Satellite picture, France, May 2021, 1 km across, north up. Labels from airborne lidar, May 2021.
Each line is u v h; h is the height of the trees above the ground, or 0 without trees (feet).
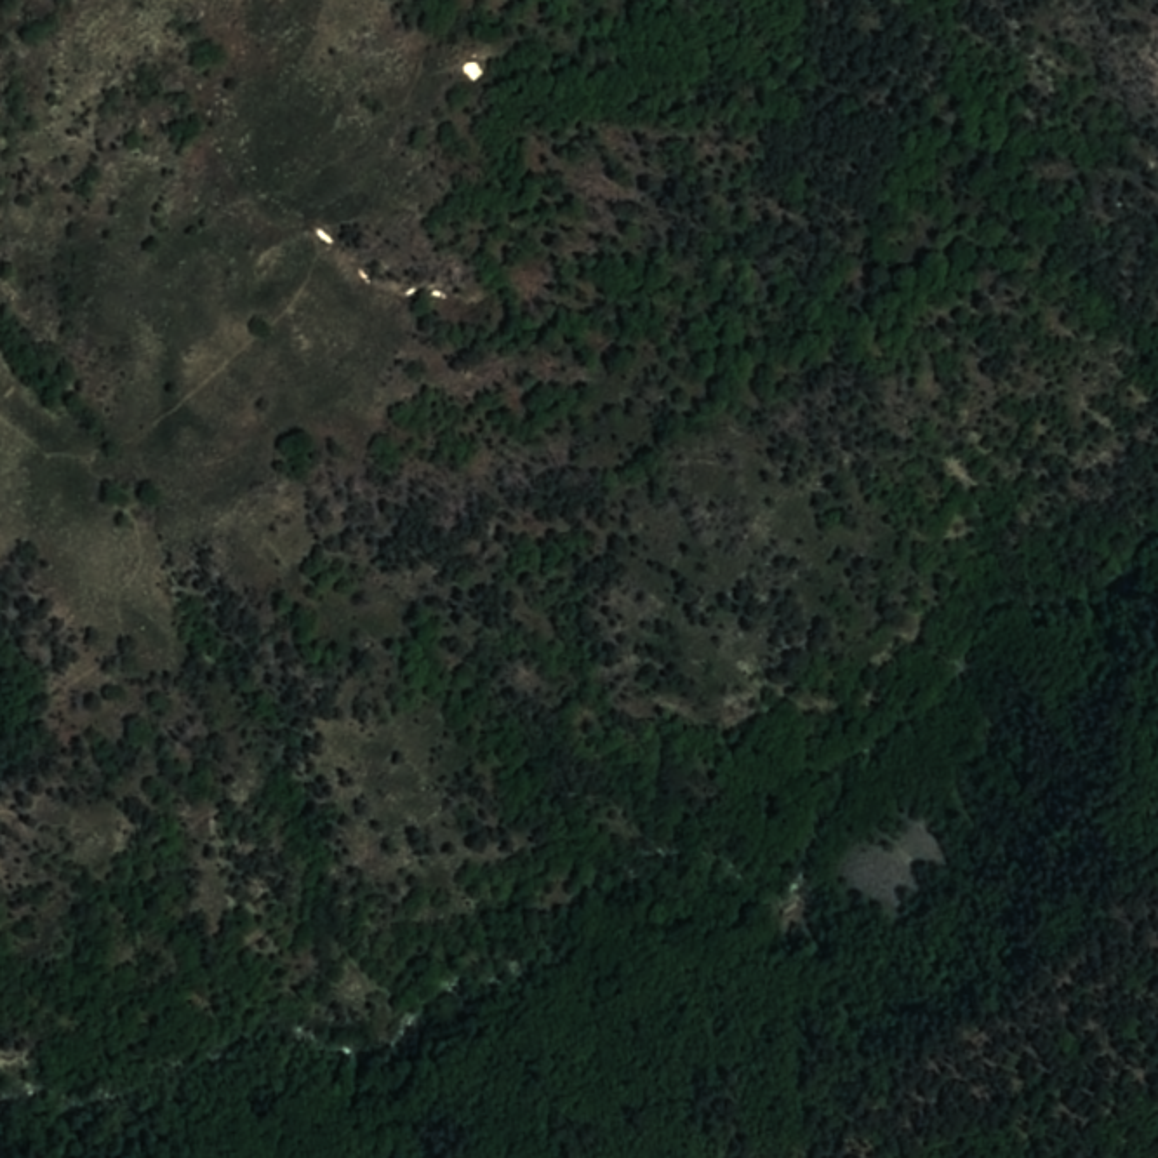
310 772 36
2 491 0
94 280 0
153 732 57
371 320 0
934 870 40
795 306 97
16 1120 82
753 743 97
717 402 88
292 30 0
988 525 70
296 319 0
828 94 95
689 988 51
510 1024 62
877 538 69
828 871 43
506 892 82
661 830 89
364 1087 83
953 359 74
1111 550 94
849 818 56
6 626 63
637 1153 37
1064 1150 36
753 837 66
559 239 108
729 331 100
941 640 94
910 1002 31
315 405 0
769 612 89
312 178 0
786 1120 61
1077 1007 71
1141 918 26
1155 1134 55
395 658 34
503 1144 64
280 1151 68
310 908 53
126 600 0
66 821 0
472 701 68
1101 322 80
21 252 0
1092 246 68
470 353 69
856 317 83
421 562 59
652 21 100
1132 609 69
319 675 41
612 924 60
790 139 93
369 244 30
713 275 95
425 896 61
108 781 46
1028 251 85
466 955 80
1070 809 86
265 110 0
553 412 94
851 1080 33
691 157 83
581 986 73
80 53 0
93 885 60
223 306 0
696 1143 52
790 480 71
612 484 68
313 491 33
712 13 64
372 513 76
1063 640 81
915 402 67
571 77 98
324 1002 42
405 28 36
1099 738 59
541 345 99
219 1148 68
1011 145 77
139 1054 97
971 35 55
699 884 56
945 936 59
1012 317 70
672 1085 66
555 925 53
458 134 63
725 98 28
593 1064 72
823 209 86
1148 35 65
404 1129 77
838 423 77
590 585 82
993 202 69
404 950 73
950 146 57
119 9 0
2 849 55
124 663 55
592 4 48
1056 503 61
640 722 56
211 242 0
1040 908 66
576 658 37
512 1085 45
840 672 67
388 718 50
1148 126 64
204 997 63
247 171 0
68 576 0
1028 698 29
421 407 37
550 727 71
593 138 84
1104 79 74
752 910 82
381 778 21
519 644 52
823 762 92
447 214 60
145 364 0
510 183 96
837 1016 57
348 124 0
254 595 34
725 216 80
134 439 0
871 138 95
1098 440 57
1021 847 63
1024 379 46
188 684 58
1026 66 40
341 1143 73
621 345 48
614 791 73
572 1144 36
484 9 57
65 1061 89
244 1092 63
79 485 0
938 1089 90
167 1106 76
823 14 97
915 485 54
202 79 27
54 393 39
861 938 53
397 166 0
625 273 104
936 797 41
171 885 72
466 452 49
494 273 79
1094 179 85
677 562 0
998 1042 68
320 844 34
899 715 62
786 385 66
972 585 63
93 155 21
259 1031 59
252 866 64
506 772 58
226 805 49
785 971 78
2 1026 39
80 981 58
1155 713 85
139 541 0
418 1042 37
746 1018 64
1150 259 109
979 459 64
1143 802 73
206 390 0
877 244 92
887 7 85
